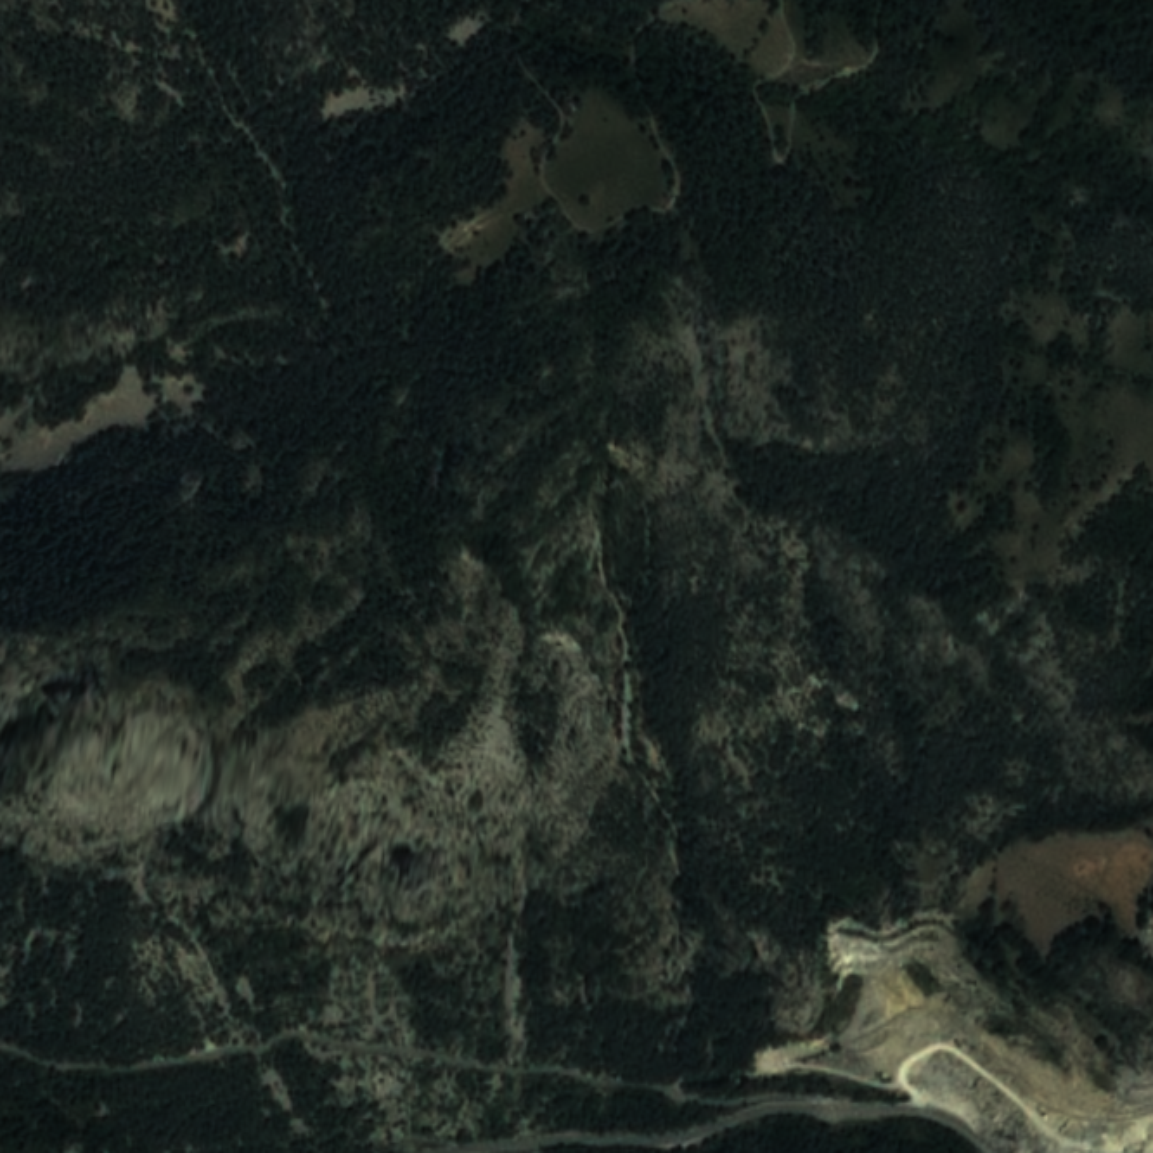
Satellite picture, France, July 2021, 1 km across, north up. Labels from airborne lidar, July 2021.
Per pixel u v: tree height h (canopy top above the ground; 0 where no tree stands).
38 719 10
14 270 13
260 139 9
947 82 0
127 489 11
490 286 11
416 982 8
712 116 11
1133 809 8
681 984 9
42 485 13
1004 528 8
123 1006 6
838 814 8
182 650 11
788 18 0
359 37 13
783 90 11
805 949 7
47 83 7
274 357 7
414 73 10
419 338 15
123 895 7
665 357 7
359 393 14
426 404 14
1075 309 7
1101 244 6
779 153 7
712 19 0
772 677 9
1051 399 11
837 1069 0
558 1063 6
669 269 5
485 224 0
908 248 8
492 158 8
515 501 8
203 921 13
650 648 12
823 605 10
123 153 10
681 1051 12
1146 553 11
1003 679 8
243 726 6
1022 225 9
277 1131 10
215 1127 12
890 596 11
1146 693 6
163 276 11
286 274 17
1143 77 12
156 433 14
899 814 15
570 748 6
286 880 6
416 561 19
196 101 9
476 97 13
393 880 6
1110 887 0
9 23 6
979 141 11
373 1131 10
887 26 11
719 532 9
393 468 11
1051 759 7
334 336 17
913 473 9
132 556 8
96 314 9
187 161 14
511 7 7
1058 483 12
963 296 7
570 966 10
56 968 10
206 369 13
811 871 8
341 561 10
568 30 7
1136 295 9
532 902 9
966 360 14
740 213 11
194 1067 9
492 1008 6
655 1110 12
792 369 12
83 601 9
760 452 11
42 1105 8
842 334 11
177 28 7
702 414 7
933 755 11
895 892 6
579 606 9
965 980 0
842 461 9
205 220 6
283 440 20
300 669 12
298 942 7
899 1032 0
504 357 8
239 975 11
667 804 6
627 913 7
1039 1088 0
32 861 7
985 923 9
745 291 8
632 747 6
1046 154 8
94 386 11
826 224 13
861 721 8
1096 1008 6
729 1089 11
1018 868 0
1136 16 15
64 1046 10
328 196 14
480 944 7
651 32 16
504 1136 8
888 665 11
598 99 0
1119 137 6
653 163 0
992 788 9
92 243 9
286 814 6
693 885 8
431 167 8
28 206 7
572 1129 10
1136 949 15
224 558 12
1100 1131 0
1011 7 13
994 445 6
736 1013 13
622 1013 10
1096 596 8
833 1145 8
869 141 6
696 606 10
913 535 14
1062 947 10
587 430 8
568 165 0
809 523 6
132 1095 7
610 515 11
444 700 11
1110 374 7
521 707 12
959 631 6
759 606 6
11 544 10
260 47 8
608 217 0
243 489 10
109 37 7
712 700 6
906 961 0
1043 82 9
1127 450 0
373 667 9
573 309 11
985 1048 0
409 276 8
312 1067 10
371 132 16
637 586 9
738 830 8
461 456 10
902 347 8
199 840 10
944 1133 8
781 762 10
